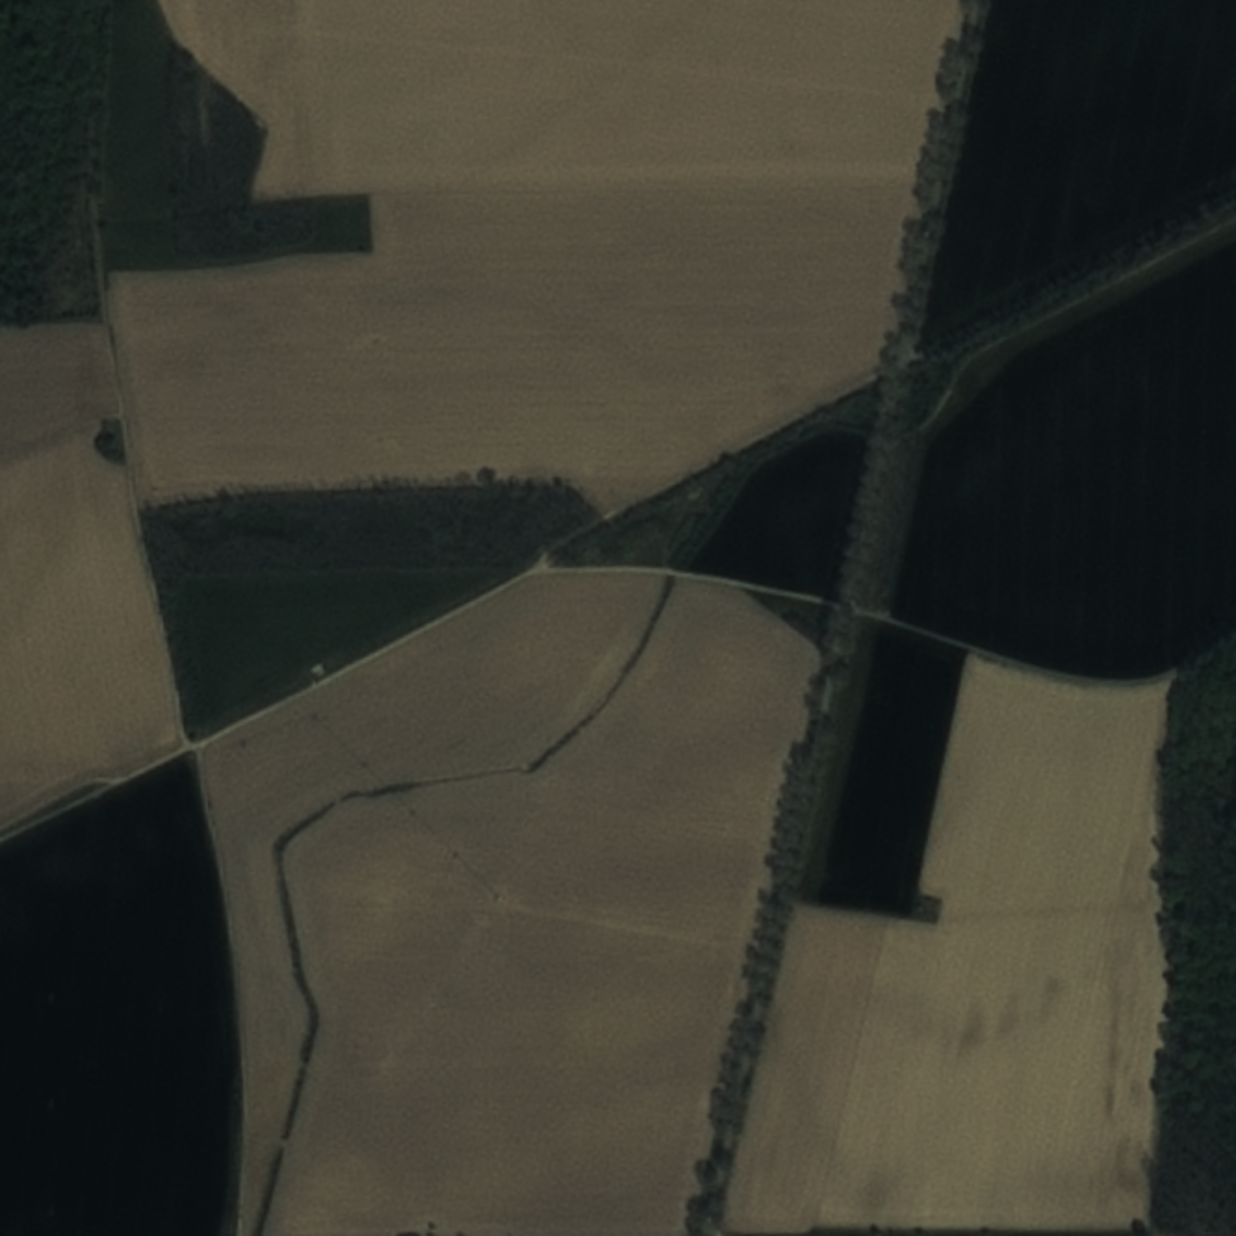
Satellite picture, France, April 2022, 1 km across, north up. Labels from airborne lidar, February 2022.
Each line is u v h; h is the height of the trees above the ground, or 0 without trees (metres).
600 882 0
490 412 0
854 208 0
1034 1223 0
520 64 0
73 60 14
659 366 0
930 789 0
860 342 0
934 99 0
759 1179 0
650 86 0
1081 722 0
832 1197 0
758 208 0
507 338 0
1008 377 0
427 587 0
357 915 0
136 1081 0
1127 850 0
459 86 0
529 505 16
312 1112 0
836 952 0
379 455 0
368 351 0
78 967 0
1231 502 0
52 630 0
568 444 0
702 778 0
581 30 0
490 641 0
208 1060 0
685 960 0
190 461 0
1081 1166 0
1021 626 0
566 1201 0
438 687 0
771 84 0
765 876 0
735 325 0
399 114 0
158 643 0
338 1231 0
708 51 0
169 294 0
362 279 0
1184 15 0
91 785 0
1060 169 0
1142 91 0
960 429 0
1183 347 0
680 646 0
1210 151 0
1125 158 0
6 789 0
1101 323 0
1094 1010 0
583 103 0
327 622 0
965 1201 0
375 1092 0
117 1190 0
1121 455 0
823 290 0
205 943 0
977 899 0
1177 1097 18
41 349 0
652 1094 0
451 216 0
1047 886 0
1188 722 17
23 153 13
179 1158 0
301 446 0
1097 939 0
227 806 0
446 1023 0
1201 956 19
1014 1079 0
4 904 0
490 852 0
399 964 0
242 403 0
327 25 0
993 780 0
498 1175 0
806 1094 0
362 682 0
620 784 0
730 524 0
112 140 0
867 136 0
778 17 0
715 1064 0
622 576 0
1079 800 0
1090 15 0
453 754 0
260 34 0
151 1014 0
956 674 0
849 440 0
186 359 0
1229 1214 22
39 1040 0
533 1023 0
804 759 17
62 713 0
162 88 0
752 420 0
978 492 0
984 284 0
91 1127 0
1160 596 0
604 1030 0
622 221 0
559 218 0
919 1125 0
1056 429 0
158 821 0
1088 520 0
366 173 0
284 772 0
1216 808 16
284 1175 0
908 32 0
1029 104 0
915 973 0
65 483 0
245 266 0
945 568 0
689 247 0
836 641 16
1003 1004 0
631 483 0
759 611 0
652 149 0
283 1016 0
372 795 0
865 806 0
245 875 0
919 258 17
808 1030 0
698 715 0
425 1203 0
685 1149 0
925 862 0
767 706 0
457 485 11
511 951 0
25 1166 0
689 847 0
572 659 0
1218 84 0
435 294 0
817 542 0
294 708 0
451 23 0
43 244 14
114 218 0
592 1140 0
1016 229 0
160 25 0
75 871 0
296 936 0
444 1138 0
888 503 21
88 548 0
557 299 0
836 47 0
